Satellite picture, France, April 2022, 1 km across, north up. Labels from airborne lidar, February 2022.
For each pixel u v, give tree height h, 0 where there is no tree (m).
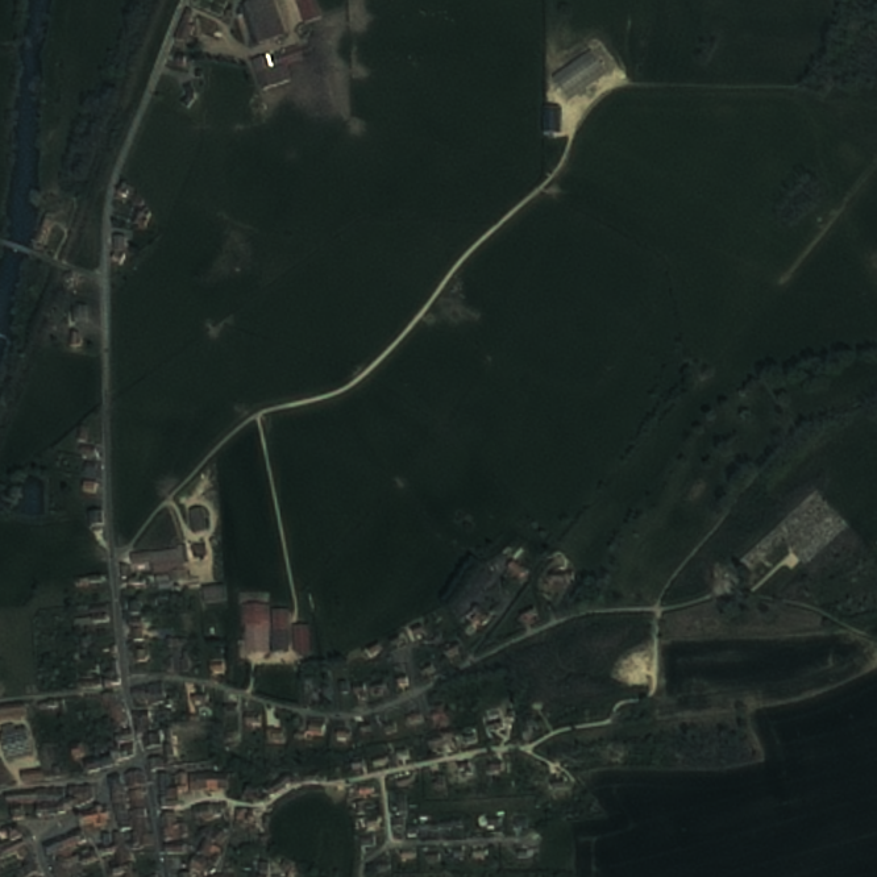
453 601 10
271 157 0
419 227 0
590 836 0
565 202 0
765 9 0
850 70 23
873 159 0
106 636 6
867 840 0
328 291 0
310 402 0
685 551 0
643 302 0
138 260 7
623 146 0
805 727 0
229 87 0
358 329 0
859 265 0
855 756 0
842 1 21
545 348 0
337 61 0
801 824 0
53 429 0
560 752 15
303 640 0
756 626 0
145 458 0
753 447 0
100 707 0
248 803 0
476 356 0
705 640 0
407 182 0
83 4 0
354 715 0
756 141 0
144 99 0
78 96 0
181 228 0
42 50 0
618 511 0
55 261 0
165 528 0
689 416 0
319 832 0
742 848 0
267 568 0
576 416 0
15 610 0
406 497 0
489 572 0
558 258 0
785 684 0
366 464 0
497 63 0
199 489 0
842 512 0
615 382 0
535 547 0
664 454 0
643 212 0
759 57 0
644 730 0
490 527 0
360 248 0
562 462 0
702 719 0
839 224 0
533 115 0
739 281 0
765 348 0
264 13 0
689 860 0
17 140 6
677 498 0
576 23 0
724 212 0
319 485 0
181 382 0
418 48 0
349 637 0
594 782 0
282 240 0
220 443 0
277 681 0
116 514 0
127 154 0
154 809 0
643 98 0
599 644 0
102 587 0
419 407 0
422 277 0
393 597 0
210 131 0
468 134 0
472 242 0
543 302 0
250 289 0
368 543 0
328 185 0
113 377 0
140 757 0
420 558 0
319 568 0
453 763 0
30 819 0
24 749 0
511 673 16
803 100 0
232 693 0
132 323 0
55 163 0
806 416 0
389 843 0
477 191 0
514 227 0
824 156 0
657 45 0
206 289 0
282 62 0
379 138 0
